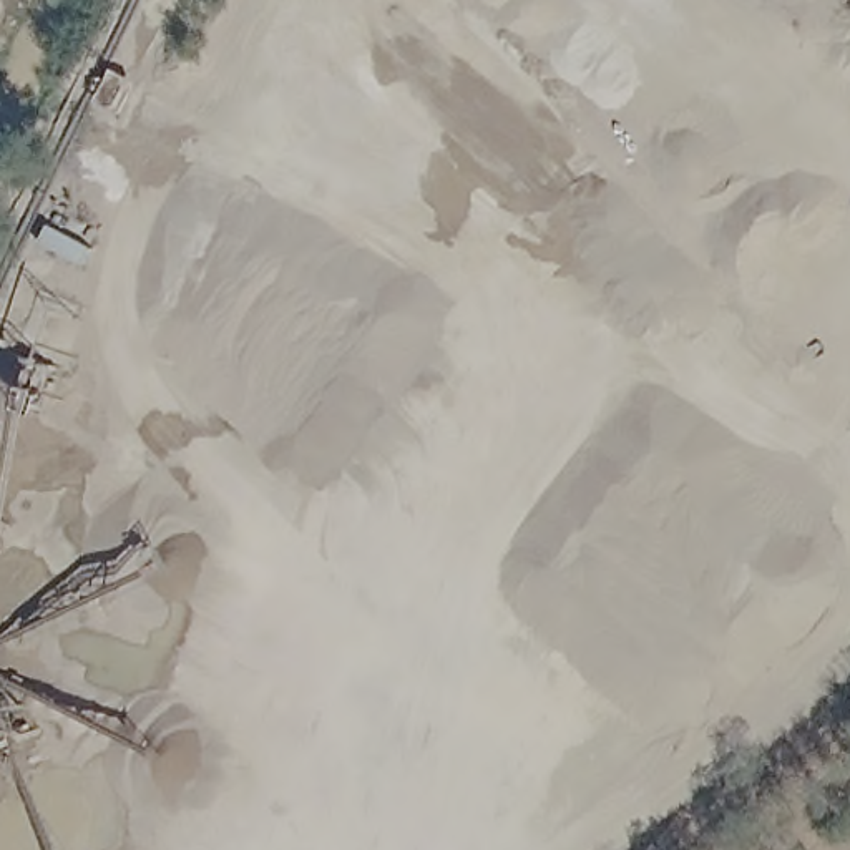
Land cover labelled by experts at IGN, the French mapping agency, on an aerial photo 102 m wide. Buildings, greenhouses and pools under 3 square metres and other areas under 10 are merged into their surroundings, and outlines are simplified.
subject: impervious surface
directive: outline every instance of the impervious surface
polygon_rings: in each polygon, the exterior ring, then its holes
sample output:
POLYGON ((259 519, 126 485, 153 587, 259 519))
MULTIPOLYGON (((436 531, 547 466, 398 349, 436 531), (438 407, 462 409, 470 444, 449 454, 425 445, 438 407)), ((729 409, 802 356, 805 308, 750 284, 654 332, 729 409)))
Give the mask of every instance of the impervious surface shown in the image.
POLYGON ((23 717, 13 714, 13 704, 30 704, 33 694, 23 687, 10 687, 0 667, 0 804, 17 797, 17 784, 23 784, 27 777, 23 764, 30 764, 30 754, 37 747, 17 747, 23 717))

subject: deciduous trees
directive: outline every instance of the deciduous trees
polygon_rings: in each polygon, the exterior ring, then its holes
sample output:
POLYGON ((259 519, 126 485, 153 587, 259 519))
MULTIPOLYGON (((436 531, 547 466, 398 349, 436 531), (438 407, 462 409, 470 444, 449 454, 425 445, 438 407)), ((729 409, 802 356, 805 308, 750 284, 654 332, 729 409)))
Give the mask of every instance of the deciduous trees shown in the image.
POLYGON ((0 146, 0 196, 7 189, 33 193, 33 186, 50 186, 60 169, 56 139, 43 139, 33 123, 27 123, 20 133, 10 133, 0 146))
POLYGON ((76 63, 83 46, 93 40, 93 33, 103 27, 113 0, 60 0, 60 7, 30 10, 33 27, 37 43, 43 50, 43 63, 37 66, 40 86, 33 86, 37 120, 56 113, 60 80, 76 63))
POLYGON ((199 56, 206 23, 219 13, 222 0, 176 0, 176 7, 166 13, 166 40, 176 46, 183 60, 199 56))
POLYGON ((833 827, 850 837, 850 750, 837 744, 827 750, 827 760, 810 760, 810 777, 797 774, 797 780, 777 787, 757 813, 730 813, 717 830, 717 843, 724 850, 804 850, 800 840, 790 833, 790 823, 804 817, 813 830, 833 827))
POLYGON ((727 790, 750 784, 764 770, 767 744, 737 744, 730 754, 717 754, 711 760, 711 780, 724 777, 727 790))

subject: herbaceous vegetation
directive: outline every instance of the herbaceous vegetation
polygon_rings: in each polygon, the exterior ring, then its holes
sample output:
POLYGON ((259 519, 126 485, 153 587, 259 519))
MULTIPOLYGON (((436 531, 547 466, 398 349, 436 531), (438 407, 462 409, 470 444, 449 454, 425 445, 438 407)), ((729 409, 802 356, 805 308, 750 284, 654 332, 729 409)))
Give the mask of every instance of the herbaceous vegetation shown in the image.
POLYGON ((804 817, 790 823, 790 833, 800 840, 804 850, 850 850, 850 837, 833 827, 813 830, 804 817))
POLYGON ((790 730, 767 744, 764 770, 750 784, 727 790, 724 777, 711 780, 707 787, 697 787, 687 804, 677 804, 664 817, 651 820, 644 833, 634 833, 628 850, 724 850, 717 843, 717 830, 730 813, 757 813, 777 787, 797 780, 797 774, 810 777, 810 760, 827 760, 827 750, 837 744, 850 750, 850 677, 843 684, 833 684, 807 717, 800 717, 790 730))
POLYGON ((27 23, 33 27, 30 10, 60 7, 60 0, 0 0, 0 70, 13 56, 17 33, 27 23))

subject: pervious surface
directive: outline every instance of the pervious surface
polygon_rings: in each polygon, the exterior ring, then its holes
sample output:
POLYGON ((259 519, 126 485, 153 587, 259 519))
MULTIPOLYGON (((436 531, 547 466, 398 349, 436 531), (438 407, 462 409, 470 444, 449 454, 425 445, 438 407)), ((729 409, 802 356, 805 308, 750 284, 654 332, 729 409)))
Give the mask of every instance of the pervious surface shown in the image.
POLYGON ((850 0, 222 0, 219 13, 206 23, 199 56, 183 60, 176 46, 166 40, 166 13, 176 7, 176 0, 113 0, 103 27, 93 33, 93 40, 83 46, 76 63, 60 80, 56 113, 37 120, 33 123, 43 139, 56 139, 60 169, 50 186, 33 186, 33 193, 7 189, 0 196, 0 667, 10 687, 23 687, 33 694, 30 704, 13 704, 13 714, 23 717, 17 747, 37 747, 30 754, 30 764, 23 764, 27 777, 66 777, 70 767, 90 777, 96 794, 103 797, 103 837, 110 840, 103 850, 628 850, 634 833, 644 833, 651 820, 664 817, 677 804, 687 804, 697 787, 707 787, 711 780, 711 760, 717 754, 730 754, 737 744, 767 744, 790 730, 800 717, 807 717, 833 684, 843 684, 850 677, 850 0), (86 628, 143 644, 146 634, 166 621, 166 601, 173 601, 176 591, 193 594, 193 628, 176 654, 169 687, 123 697, 93 687, 86 681, 83 664, 63 657, 60 641, 86 628))

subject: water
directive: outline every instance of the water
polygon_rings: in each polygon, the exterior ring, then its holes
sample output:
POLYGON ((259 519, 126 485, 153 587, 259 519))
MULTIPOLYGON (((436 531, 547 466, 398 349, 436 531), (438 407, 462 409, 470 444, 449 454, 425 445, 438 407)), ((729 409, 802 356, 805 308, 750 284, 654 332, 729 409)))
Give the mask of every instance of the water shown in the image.
POLYGON ((20 133, 27 123, 33 123, 37 120, 33 86, 40 86, 37 66, 43 63, 43 50, 37 43, 33 27, 27 23, 17 33, 13 56, 0 70, 0 146, 10 133, 20 133))
POLYGON ((60 641, 63 657, 83 664, 86 681, 93 687, 123 697, 169 687, 176 654, 193 628, 193 594, 176 591, 173 601, 166 601, 166 621, 146 634, 143 644, 86 628, 60 641))
POLYGON ((0 804, 0 850, 103 850, 110 840, 103 837, 103 797, 96 794, 90 777, 70 767, 66 777, 27 777, 23 784, 17 784, 17 797, 0 804))

